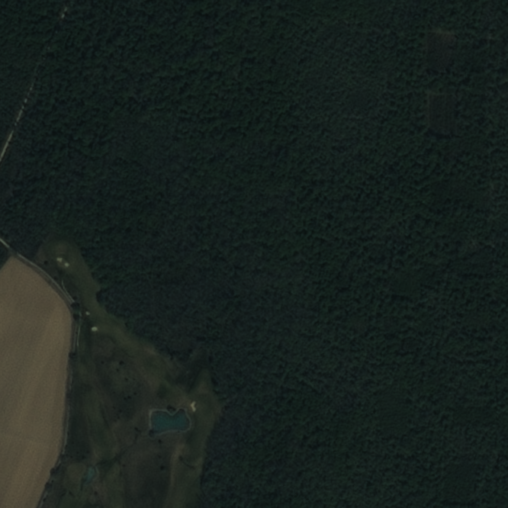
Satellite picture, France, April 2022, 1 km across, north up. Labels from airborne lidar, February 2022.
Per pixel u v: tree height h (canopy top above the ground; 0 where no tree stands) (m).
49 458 0
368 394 14
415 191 17
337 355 12
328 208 18
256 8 21
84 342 0
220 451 19
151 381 0
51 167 22
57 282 9
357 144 10
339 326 13
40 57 15
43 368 0
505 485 13
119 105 22
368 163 18
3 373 0
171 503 0
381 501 12
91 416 0
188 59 19
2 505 0
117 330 0
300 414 19
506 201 14
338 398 16
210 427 0
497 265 21
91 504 0
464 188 10
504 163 16
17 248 18
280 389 21
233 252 17
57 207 22
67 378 0
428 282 6
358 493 11
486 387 9
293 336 19
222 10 23
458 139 9
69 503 0
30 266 0
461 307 16
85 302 0
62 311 0
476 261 10
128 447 0
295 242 16
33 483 0
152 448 0
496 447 12
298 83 15
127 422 0
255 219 18
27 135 17
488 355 15
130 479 0
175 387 0
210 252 20
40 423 0
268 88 18
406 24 17
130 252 25
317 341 16
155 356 0
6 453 0
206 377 0
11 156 9
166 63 24
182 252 24
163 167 20
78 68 20
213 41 22
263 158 19
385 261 18
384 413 7
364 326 6
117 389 0
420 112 21
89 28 18
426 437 13
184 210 19
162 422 0
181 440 0
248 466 20
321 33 6
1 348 0
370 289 18
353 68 11
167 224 25
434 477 14
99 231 21
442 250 21
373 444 13
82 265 0
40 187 22
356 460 14
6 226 18
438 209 8
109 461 0
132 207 18
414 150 15
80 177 26
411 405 15
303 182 19
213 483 19
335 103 7
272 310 22
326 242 17
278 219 14
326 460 11
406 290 9
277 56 19
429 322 8
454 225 7
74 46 20
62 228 19
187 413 0
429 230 18
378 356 13
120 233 19
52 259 0
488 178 19
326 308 16
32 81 13
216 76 23
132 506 0
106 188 22
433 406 17
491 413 10
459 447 9
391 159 12
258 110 20
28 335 0
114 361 0
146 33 20
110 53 21
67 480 0
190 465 0
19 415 0
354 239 10
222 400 18
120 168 19
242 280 23
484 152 8
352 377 12
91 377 0
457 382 14
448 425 14
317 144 8
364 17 14
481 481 14
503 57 9
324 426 16
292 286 15
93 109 22
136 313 21
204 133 17
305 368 11
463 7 13
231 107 18
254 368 23
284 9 21
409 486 16
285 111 11
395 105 16
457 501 10
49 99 18
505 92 22
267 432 25
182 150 23
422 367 16
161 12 21
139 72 22
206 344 19
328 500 11
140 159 14
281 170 18
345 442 16
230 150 21
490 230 6
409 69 13
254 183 19
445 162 14
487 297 17
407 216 15
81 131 21
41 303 0
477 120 18
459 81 14
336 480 13
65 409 0
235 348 17
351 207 15
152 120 14
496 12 11
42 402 0
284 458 17
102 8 17
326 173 19
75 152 21
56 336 0
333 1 20
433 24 18
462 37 17
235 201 19
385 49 17
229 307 21
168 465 0
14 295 0
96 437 0
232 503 15
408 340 11
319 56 7
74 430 0
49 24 11
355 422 14
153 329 18
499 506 17
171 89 20
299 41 9
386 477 14
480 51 15
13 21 20
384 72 13
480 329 6
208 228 23
